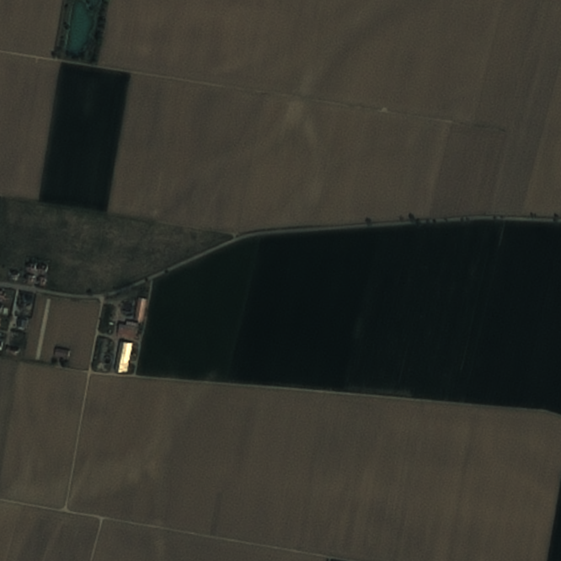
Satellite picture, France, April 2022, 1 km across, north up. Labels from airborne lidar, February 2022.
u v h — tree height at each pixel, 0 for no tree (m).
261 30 0
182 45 0
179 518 0
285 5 0
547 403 0
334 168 0
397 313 0
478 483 0
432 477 0
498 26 0
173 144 0
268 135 0
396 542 0
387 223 0
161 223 0
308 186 0
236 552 0
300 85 0
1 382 0
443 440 0
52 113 0
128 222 0
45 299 0
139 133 0
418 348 0
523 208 0
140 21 0
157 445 0
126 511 0
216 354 0
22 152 0
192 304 0
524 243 0
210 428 0
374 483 0
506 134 0
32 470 0
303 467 0
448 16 0
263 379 0
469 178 0
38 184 0
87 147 0
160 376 0
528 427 0
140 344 0
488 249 0
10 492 0
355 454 0
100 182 0
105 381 0
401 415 0
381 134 0
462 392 0
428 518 0
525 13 0
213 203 0
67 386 0
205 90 0
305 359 0
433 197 0
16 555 0
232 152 0
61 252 0
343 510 0
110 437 0
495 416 0
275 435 0
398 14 0
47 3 0
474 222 0
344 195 0
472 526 0
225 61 0
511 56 0
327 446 0
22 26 0
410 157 0
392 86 0
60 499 0
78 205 0
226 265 0
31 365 0
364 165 0
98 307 0
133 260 0
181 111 0
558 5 0
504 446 0
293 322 0
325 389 0
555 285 0
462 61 0
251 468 0
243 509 0
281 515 0
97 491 0
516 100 0
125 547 0
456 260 0
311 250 0
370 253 0
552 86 0
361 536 0
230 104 0
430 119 0
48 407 0
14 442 0
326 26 0
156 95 0
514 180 0
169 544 0
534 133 0
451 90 0
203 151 0
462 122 0
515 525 0
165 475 0
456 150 0
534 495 0
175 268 0
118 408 0
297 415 0
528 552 0
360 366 0
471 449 0
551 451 0
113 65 0
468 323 0
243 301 0
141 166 0
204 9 0
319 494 0
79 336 0
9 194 0
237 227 0
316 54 0
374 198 0
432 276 0
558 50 0
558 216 7
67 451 0
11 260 0
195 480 0
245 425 0
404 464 0
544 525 0
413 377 0
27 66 0
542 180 0
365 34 0
